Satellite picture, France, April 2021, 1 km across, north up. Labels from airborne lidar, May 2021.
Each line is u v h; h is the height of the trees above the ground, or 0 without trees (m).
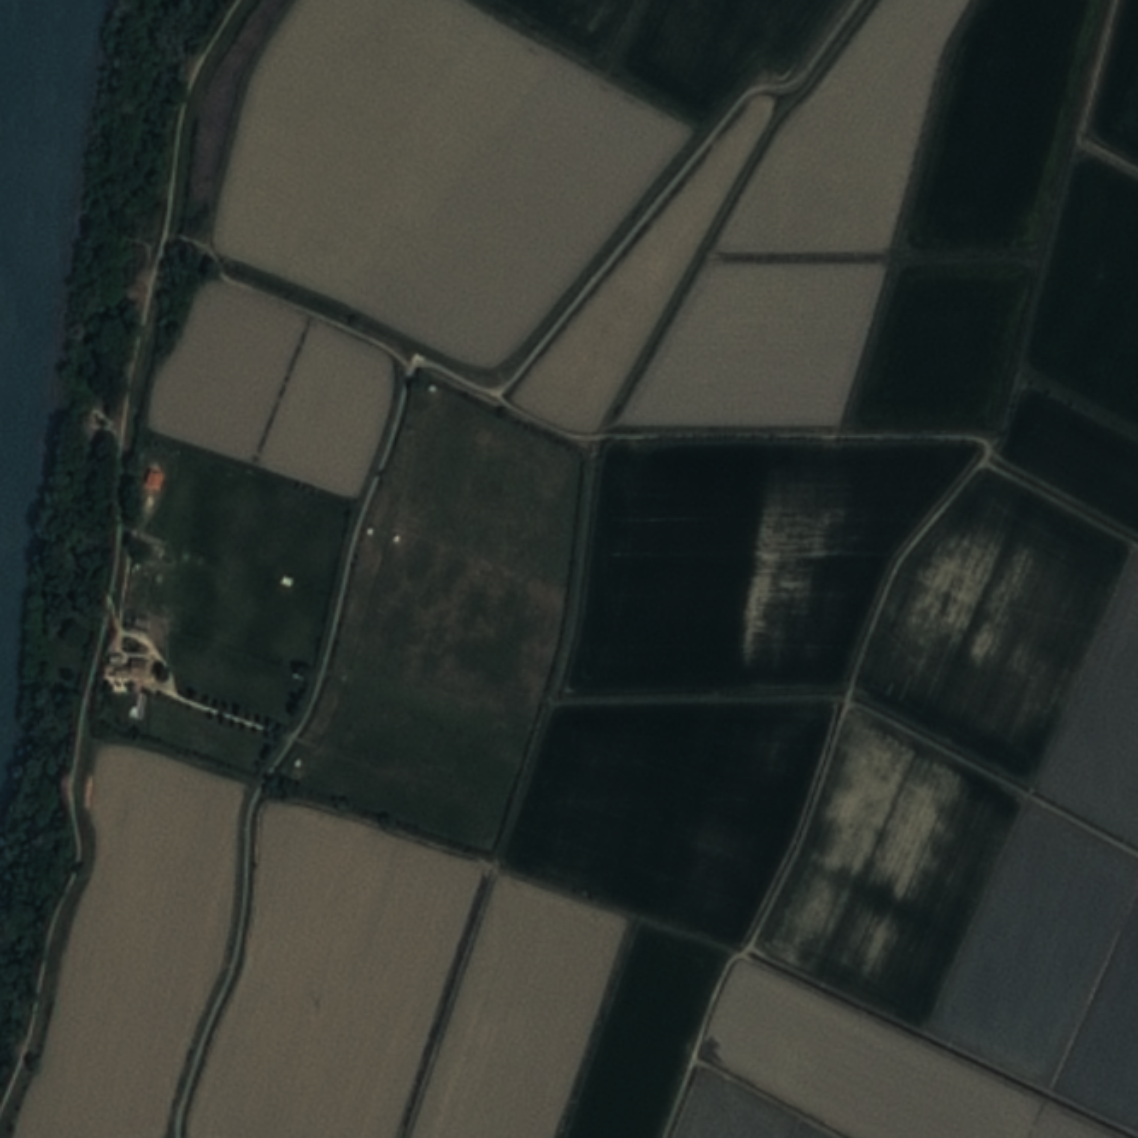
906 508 0
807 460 0
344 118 0
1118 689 0
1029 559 0
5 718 0
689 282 0
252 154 0
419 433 0
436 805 0
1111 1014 0
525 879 0
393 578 0
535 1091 0
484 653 0
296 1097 0
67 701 20
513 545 0
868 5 0
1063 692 0
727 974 0
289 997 0
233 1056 0
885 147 0
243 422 0
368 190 0
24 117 0
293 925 0
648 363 0
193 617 0
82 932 0
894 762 0
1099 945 0
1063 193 0
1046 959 0
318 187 0
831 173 0
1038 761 0
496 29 0
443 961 0
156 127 23
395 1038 0
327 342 0
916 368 0
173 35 21
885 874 0
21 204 0
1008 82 0
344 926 0
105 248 22
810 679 0
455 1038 0
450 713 0
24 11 0
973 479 0
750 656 0
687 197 0
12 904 18
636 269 0
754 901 0
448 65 0
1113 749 0
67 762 9
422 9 0
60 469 18
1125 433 0
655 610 0
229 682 0
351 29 0
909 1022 0
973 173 0
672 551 0
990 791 0
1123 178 0
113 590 0
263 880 0
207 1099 0
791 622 0
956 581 0
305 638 0
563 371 0
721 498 0
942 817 0
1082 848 0
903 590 0
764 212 0
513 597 0
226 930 0
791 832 0
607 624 0
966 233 0
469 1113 0
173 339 12
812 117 0
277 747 11
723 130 0
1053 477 0
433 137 0
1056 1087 0
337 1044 0
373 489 0
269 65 0
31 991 11
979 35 0
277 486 0
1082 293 0
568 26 0
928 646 0
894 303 0
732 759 0
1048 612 0
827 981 0
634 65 0
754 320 0
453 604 0
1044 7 0
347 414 0
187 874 0
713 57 0
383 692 0
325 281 0
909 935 0
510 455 0
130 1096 0
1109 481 0
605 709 0
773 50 0
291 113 0
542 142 0
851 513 0
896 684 0
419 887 0
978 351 0
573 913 0
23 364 0
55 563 22
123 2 17
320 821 0
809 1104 0
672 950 0
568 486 0
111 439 13
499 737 0
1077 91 0
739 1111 0
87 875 10
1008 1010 0
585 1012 0
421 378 8
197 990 0
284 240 0
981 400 0
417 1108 0
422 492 0
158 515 0
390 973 0
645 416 0
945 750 0
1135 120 0
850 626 0
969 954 0
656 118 0
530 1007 0
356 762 0
